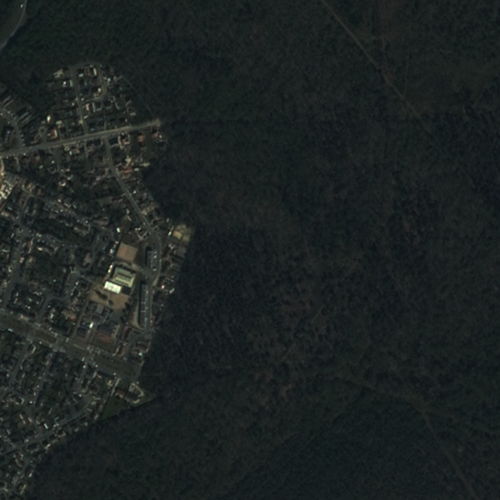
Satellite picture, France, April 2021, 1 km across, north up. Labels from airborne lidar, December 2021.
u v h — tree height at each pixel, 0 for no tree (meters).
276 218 23
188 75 25
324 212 19
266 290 22
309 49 23
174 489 22
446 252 29
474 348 25
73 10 19
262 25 19
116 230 0
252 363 23
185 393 15
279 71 25
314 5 18
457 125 29
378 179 20
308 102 24
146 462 25
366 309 20
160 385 17
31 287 0
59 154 0
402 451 9
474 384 28
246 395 17
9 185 0
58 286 0
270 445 18
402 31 6
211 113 28
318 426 18
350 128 22
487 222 24
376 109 15
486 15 21
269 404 11
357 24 7
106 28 16
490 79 0
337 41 16
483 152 21
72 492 20
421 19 9
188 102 29
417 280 29
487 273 27
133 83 8
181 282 16
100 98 0
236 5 24
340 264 27
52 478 26
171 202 22
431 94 0
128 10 21
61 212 0
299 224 25
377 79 14
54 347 0
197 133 25
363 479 26
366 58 19
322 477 17
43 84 9
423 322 26
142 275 0
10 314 0
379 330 18
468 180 24
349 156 22
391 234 23
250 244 29
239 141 28
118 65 15
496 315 30
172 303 17
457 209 28
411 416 6
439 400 23
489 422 27
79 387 0
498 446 19
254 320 17
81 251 11
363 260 0
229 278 29
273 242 30
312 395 23
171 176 27
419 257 27
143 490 20
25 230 0
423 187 27
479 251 24
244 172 26
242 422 23
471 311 28
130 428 22
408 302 28
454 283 24
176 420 17
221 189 14
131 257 0
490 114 6
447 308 27
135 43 18
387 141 20
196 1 27
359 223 24
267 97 22
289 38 19
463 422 26
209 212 26
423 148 23
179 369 23
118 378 0
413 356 6
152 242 0
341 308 24
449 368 25
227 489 24
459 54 13
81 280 0
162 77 22
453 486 22
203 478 17
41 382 0
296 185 20
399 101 19
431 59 6
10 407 0
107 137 0
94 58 11
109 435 21
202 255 19
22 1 0
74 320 0
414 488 12
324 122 20
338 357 18
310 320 31
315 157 21
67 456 22
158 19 17
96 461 22
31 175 14
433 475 21
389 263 20
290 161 17
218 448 24
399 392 22
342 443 8
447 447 25
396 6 17
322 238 30
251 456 19
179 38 18
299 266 24
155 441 17
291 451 22
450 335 24
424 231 0
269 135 22
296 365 0
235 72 26
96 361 0
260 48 30
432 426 17
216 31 26
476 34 21
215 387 24
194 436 8
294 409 23
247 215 29
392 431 8
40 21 16
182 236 0
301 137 20
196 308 23
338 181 21
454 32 22
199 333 22
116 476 20
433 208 32
